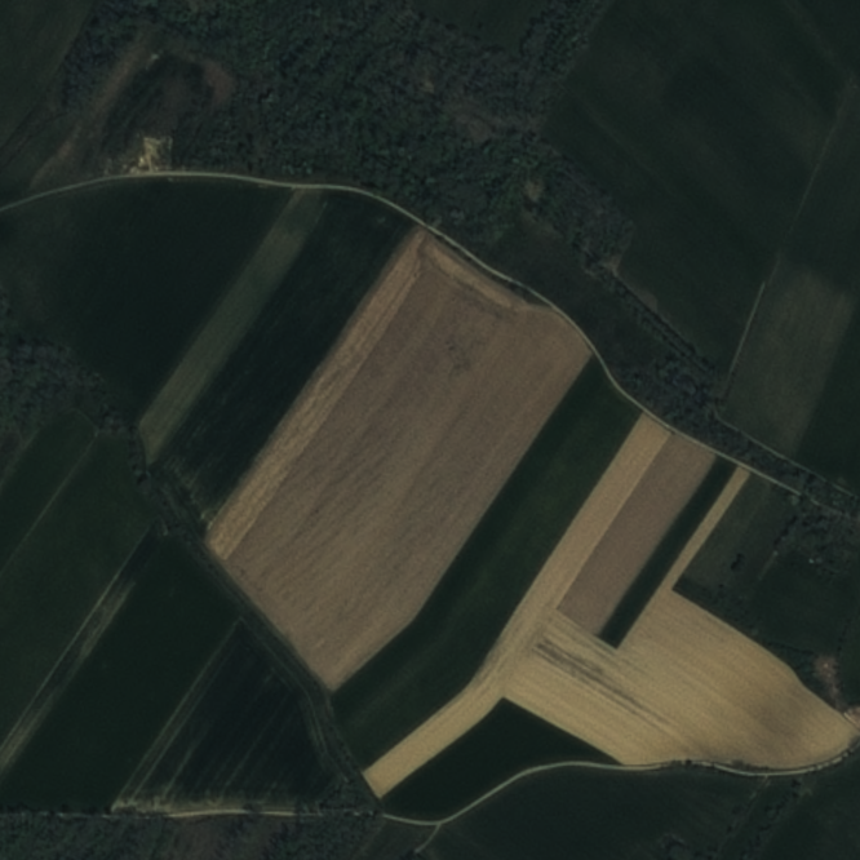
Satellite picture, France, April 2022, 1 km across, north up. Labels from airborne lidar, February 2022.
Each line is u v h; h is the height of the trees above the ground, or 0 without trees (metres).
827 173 0
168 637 0
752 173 0
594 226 26
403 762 0
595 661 0
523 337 0
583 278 0
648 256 0
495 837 0
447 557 0
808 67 0
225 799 0
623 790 0
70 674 0
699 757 0
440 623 0
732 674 0
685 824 0
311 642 0
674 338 29
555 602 0
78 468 0
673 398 19
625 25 0
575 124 0
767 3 0
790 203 0
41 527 0
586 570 0
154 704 0
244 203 0
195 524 0
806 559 0
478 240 21
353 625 0
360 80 6
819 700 0
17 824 14
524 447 0
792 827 0
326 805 7
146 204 0
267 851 0
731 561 0
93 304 0
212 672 0
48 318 0
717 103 0
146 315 0
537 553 0
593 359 0
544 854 0
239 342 0
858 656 0
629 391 9
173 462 0
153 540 0
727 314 0
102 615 0
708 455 0
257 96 10
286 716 0
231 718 0
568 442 0
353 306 0
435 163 22
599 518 0
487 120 0
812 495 9
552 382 0
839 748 0
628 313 0
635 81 0
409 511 0
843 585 0
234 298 0
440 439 0
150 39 0
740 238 0
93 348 0
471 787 0
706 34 0
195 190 0
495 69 19
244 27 16
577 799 0
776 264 0
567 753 0
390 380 0
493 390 0
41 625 0
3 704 0
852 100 0
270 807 0
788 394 0
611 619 0
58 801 0
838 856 0
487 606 0
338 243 0
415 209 12
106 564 0
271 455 0
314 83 22
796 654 7
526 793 0
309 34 6
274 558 0
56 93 0
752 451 11
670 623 0
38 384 25
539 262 0
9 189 0
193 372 0
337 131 6
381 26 22
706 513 0
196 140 0
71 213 0
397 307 0
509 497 0
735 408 0
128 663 0
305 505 0
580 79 0
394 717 0
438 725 0
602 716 0
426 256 0
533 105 22
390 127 36
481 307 0
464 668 0
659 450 0
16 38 0
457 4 0
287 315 0
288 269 0
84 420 0
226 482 0
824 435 0
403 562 0
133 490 0
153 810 0
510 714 0
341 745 6
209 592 0
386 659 0
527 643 0
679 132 0
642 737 0
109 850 21
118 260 0
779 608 0
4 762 0
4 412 24
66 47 0
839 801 0
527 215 0
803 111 0
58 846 23
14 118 0
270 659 0
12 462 0
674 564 0
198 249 0
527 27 0
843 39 0
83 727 0
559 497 0
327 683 0
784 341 0
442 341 0
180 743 0
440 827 0
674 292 0
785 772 0
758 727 0
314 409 0
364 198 0
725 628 0
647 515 0
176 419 0
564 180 20
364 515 0
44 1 0
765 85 0
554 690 0
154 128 0
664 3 0
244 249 0
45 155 0
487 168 21
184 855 0
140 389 0
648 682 0
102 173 0
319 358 0
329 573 0
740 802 0
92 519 0
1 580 0
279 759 0
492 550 0
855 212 0
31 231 0
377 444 0
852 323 0
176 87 0
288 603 0
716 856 17
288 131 18
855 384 0
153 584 0
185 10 6
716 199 0
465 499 0
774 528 0
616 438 0
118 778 0
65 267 0
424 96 21
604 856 0
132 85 0
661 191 0
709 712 0
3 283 0
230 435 0
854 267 0
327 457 0
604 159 0
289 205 0
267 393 0
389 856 0
